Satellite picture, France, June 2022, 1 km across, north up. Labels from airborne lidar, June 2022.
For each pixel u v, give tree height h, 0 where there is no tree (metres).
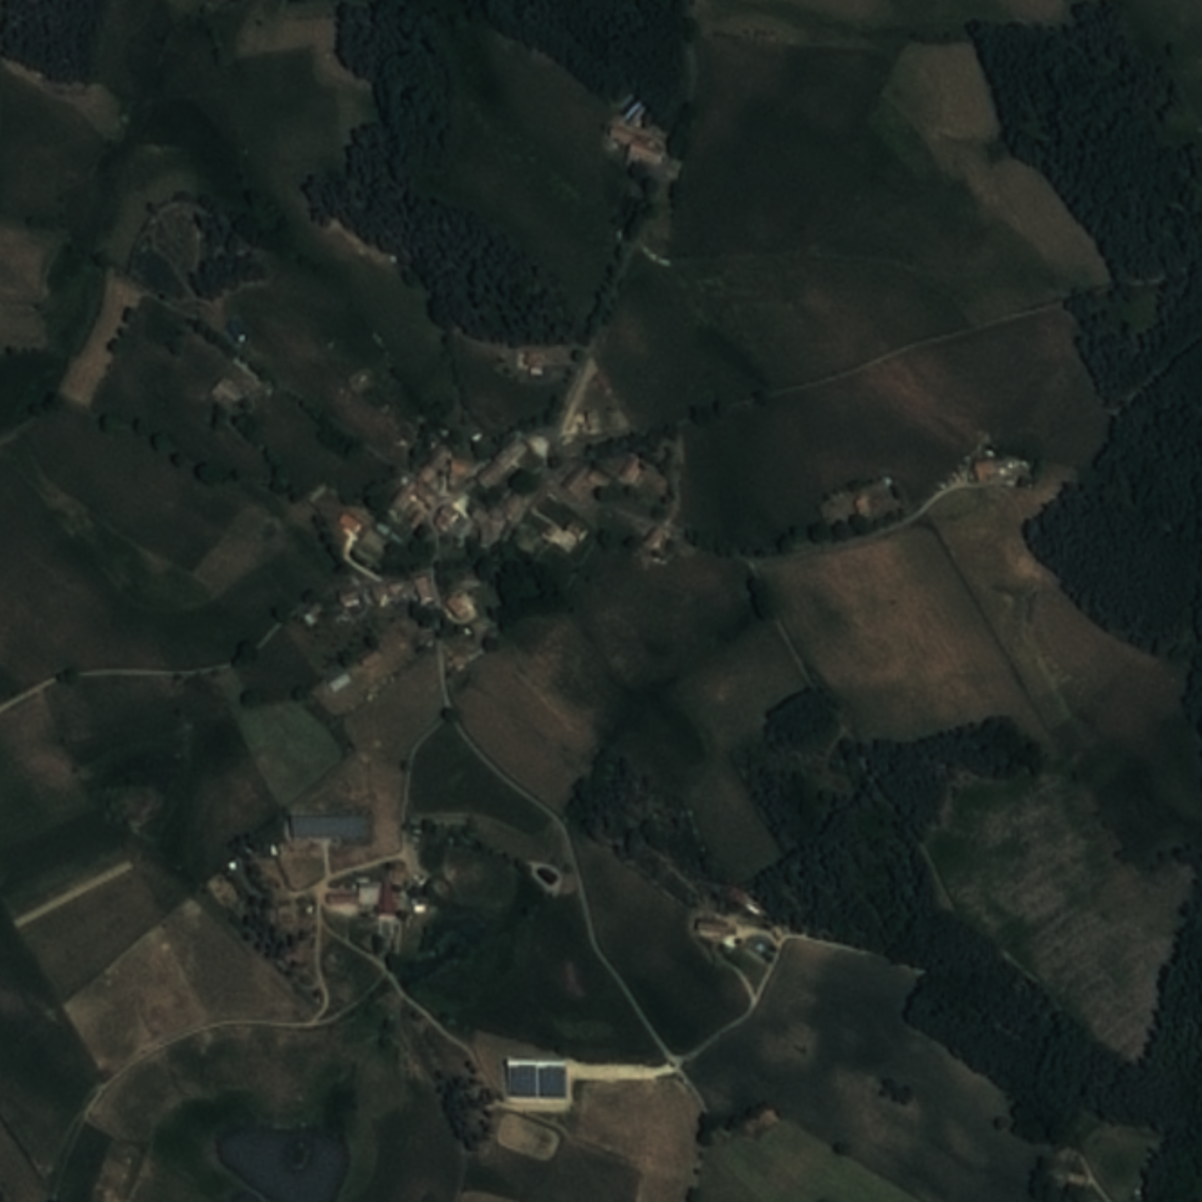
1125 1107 24
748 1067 0
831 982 0
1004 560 0
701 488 0
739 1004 0
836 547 0
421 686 0
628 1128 0
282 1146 0
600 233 0
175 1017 0
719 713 0
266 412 0
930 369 0
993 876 0
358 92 0
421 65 36
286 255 7
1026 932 0
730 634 0
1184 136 0
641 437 10
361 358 0
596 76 29
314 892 0
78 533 0
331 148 0
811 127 0
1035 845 0
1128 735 0
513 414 0
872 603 0
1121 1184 0
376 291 0
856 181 0
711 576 0
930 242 0
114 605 0
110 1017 0
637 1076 0
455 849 0
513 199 0
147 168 0
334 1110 0
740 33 0
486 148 0
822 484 0
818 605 0
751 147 0
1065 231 0
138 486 0
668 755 0
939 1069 0
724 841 0
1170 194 24
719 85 0
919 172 0
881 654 0
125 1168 0
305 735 0
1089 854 0
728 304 0
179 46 0
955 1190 0
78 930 0
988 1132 0
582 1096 0
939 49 0
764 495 0
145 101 0
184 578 0
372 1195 0
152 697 0
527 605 18
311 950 0
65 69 14
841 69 0
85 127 0
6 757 0
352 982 0
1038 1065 16
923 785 18
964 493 0
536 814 0
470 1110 16
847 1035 0
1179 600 21
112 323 0
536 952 0
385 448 0
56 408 18
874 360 0
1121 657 0
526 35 28
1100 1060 23
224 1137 0
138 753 0
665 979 0
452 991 0
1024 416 0
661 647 0
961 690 0
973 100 0
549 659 0
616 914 0
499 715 0
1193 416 24
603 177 0
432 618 20
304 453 0
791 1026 0
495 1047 0
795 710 23
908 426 0
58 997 0
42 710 0
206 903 0
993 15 0
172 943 0
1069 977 0
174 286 0
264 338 0
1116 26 21
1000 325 0
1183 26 0
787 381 0
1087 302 15
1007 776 15
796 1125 0
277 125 0
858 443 0
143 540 0
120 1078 0
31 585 0
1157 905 0
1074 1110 29
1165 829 0
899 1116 0
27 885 0
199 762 0
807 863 18
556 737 0
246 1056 0
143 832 0
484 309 21
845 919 12
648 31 25
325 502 0
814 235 0
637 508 0
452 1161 0
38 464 0
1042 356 0
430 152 29
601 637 0
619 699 0
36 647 0
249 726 0
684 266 0
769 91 0
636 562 0
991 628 0
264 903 11
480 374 0
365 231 15
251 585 0
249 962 0
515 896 0
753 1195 0
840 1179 0
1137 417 19
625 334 0
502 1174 0
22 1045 0
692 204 0
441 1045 0
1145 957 0
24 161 0
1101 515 20
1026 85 23
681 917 0
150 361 0
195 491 0
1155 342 18
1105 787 0
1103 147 26
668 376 0
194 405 0
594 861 0
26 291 0
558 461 10
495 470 0
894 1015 0
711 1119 16
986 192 0
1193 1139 16
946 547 0
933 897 18
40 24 15
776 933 0
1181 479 20
